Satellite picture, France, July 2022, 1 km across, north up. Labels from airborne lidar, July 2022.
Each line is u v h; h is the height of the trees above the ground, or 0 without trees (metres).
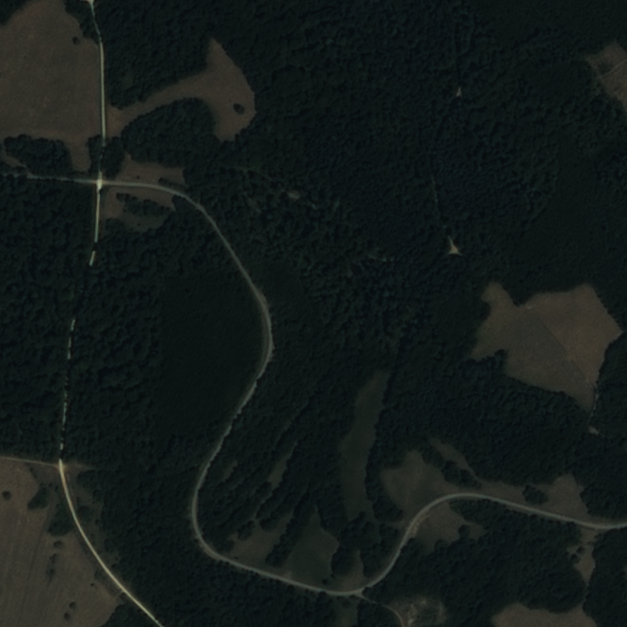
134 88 9
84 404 19
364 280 13
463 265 26
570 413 17
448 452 0
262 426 16
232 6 28
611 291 10
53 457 12
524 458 9
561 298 0
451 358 17
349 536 22
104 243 15
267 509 19
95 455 19
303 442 21
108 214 0
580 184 11
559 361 0
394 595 8
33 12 0
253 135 24
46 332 25
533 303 0
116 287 28
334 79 27
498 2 11
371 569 20
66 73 0
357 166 11
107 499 7
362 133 24
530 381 0
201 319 11
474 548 19
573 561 8
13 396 24
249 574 11
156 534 23
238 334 10
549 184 20
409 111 22
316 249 25
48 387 22
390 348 27
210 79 0
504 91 15
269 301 9
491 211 17
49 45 0
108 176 12
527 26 12
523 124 22
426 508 0
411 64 27
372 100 24
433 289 27
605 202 9
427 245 20
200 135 26
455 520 0
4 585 0
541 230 11
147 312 25
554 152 16
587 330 0
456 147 21
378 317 32
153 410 28
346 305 33
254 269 15
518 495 0
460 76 16
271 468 12
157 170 0
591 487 11
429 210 24
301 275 7
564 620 0
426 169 15
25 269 25
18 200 28
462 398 23
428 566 15
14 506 0
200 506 9
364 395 0
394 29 25
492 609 11
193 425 11
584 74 15
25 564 0
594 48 17
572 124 15
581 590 15
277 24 35
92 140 11
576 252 11
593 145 13
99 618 0
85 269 9
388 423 19
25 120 0
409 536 0
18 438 21
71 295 27
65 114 0
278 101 21
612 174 9
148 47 14
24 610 0
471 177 29
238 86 0
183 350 13
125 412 27
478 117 25
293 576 0
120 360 28
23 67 0
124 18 12
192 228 19
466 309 24
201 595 29
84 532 0
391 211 14
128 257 30
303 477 25
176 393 11
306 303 11
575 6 12
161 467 19
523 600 12
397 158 22
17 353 26
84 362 26
